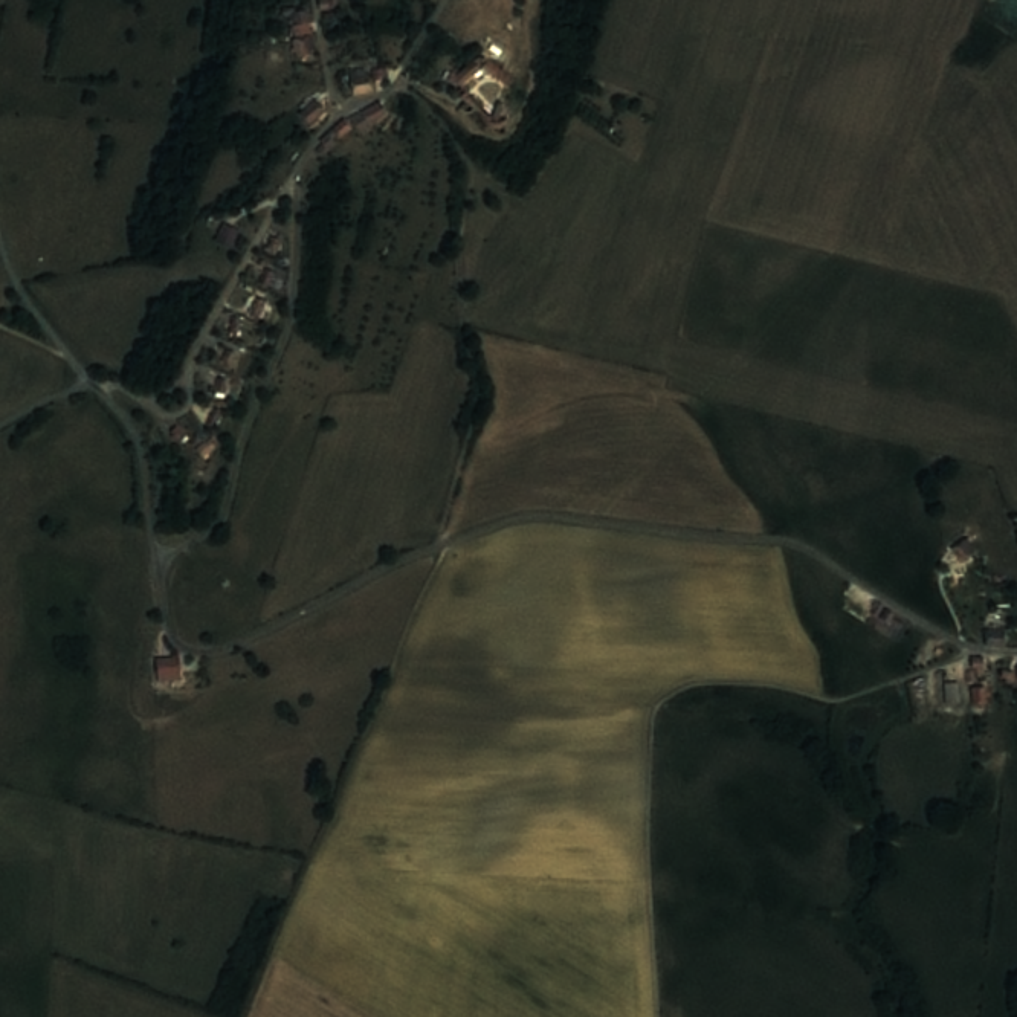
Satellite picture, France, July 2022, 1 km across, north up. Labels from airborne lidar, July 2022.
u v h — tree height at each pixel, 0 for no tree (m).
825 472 0
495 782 0
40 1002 0
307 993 0
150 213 14
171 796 0
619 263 0
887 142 0
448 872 0
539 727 0
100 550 0
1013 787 0
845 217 0
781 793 0
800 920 0
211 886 0
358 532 0
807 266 0
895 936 0
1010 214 0
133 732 0
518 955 0
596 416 0
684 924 0
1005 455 0
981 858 0
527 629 0
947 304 0
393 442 0
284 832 0
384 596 0
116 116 0
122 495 0
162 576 0
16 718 0
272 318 0
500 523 0
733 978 0
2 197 0
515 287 0
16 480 0
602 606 0
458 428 15
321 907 0
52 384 0
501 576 0
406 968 0
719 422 0
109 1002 0
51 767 0
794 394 0
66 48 0
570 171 0
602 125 6
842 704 0
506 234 0
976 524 0
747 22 0
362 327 6
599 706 0
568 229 0
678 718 0
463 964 0
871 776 10
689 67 0
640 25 0
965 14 0
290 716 7
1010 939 0
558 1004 0
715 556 0
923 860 0
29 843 0
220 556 0
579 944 0
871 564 0
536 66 12
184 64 0
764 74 0
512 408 0
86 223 0
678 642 0
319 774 21
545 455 0
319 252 23
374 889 0
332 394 0
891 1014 9
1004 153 0
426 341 0
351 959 0
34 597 0
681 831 0
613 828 0
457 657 0
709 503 0
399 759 0
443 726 0
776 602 0
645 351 0
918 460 0
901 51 0
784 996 0
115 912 0
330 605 0
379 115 0
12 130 0
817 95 0
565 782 0
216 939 0
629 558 0
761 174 0
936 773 0
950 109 0
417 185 0
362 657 0
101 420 0
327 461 0
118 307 0
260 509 0
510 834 0
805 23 0
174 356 16
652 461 0
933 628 0
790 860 0
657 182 0
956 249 0
